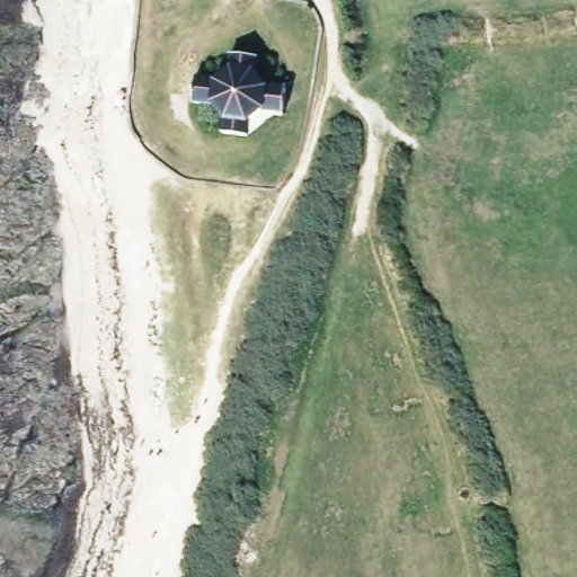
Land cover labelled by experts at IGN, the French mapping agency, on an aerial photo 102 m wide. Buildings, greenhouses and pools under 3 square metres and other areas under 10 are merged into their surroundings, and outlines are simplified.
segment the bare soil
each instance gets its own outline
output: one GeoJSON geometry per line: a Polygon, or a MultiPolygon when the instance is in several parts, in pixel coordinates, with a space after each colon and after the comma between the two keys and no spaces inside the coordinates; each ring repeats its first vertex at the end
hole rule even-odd
{"type": "Polygon", "coordinates": [[[135,34],[137,0],[23,0],[23,18],[16,25],[0,27],[0,577],[180,577],[180,559],[187,527],[198,523],[194,494],[203,471],[205,435],[198,430],[196,424],[187,421],[180,426],[174,424],[169,417],[169,399],[165,390],[167,363],[165,356],[160,356],[165,322],[171,320],[174,313],[174,300],[169,295],[174,293],[174,277],[162,237],[162,232],[167,230],[167,214],[156,205],[151,187],[153,183],[165,178],[169,169],[156,162],[149,153],[144,153],[135,135],[131,133],[126,110],[126,99],[131,95],[131,47],[135,34]]]}

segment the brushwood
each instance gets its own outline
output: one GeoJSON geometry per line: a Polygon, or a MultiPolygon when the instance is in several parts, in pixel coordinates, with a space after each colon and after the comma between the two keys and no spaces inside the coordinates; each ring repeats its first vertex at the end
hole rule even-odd
{"type": "Polygon", "coordinates": [[[340,47],[343,59],[363,59],[374,34],[370,16],[361,16],[358,0],[336,0],[336,7],[340,11],[338,16],[352,29],[358,32],[358,41],[343,43],[340,47]]]}
{"type": "Polygon", "coordinates": [[[266,458],[266,449],[279,444],[298,444],[300,421],[304,415],[304,401],[300,401],[300,394],[304,390],[304,383],[313,376],[313,367],[325,340],[331,275],[338,264],[340,248],[345,246],[352,232],[352,223],[356,216],[361,167],[365,162],[367,151],[365,122],[358,113],[349,108],[331,113],[322,122],[322,133],[309,174],[298,189],[295,203],[286,221],[277,225],[275,239],[266,252],[266,264],[261,266],[257,284],[248,289],[248,295],[255,300],[255,304],[243,316],[246,338],[237,345],[234,356],[230,358],[230,376],[219,408],[219,419],[205,435],[203,471],[194,494],[198,523],[187,527],[180,559],[180,577],[237,577],[237,554],[243,532],[259,516],[261,494],[270,491],[275,476],[273,462],[266,458]]]}
{"type": "Polygon", "coordinates": [[[482,525],[500,539],[487,557],[491,577],[523,577],[518,559],[518,527],[509,509],[496,503],[485,503],[480,516],[482,525]]]}
{"type": "Polygon", "coordinates": [[[464,458],[471,471],[471,480],[480,494],[512,491],[514,487],[507,473],[503,451],[496,444],[491,419],[476,399],[462,345],[455,338],[455,327],[444,316],[440,300],[424,286],[419,268],[412,264],[412,250],[408,248],[408,228],[403,225],[408,194],[401,185],[401,178],[392,178],[390,174],[385,174],[381,194],[374,198],[374,201],[376,223],[388,237],[388,248],[392,250],[392,259],[401,273],[399,289],[410,293],[408,320],[410,329],[419,338],[417,349],[424,363],[426,379],[440,385],[449,397],[449,430],[458,435],[467,446],[464,458]]]}

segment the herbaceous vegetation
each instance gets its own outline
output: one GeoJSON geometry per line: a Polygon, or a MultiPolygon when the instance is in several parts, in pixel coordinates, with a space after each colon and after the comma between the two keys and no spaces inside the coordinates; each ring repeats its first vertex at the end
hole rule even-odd
{"type": "Polygon", "coordinates": [[[259,516],[243,532],[237,554],[237,577],[491,577],[487,557],[500,539],[482,525],[480,516],[485,503],[496,503],[509,509],[518,527],[518,559],[523,577],[577,577],[577,0],[358,0],[361,16],[370,16],[374,34],[363,59],[343,59],[343,68],[349,77],[352,88],[358,95],[376,101],[390,122],[394,122],[399,128],[419,140],[419,147],[415,149],[399,142],[390,133],[385,133],[379,140],[381,153],[374,198],[381,194],[385,174],[390,174],[392,178],[401,178],[401,185],[408,194],[403,225],[408,228],[408,248],[412,250],[412,264],[419,268],[424,286],[440,300],[444,316],[455,327],[455,338],[462,345],[476,399],[491,419],[496,444],[503,451],[507,473],[514,487],[512,491],[480,494],[471,480],[471,471],[464,458],[467,446],[458,435],[449,430],[449,397],[440,385],[426,379],[424,363],[417,349],[419,338],[410,329],[408,320],[410,293],[399,289],[401,273],[392,259],[392,250],[388,248],[388,237],[376,223],[374,201],[370,207],[365,232],[352,232],[345,246],[340,248],[338,264],[331,275],[325,340],[313,367],[313,376],[304,383],[304,390],[300,394],[300,401],[304,401],[304,415],[300,421],[298,444],[279,444],[266,449],[266,458],[273,462],[275,476],[270,491],[261,494],[259,516]]]}
{"type": "Polygon", "coordinates": [[[167,214],[167,230],[162,232],[162,237],[174,277],[174,293],[169,295],[174,300],[174,313],[171,320],[165,322],[160,356],[165,356],[167,363],[165,390],[169,399],[169,417],[174,424],[180,426],[187,421],[192,403],[201,392],[205,379],[205,354],[210,347],[210,334],[216,325],[219,302],[225,295],[228,279],[255,246],[266,223],[266,216],[270,214],[279,192],[291,180],[298,167],[311,119],[313,99],[327,81],[327,27],[320,7],[313,0],[273,0],[273,7],[282,14],[279,27],[300,45],[302,61],[298,61],[289,70],[279,54],[270,50],[257,32],[239,36],[234,41],[234,47],[257,54],[255,70],[261,81],[279,86],[275,95],[282,95],[284,99],[282,110],[282,115],[268,117],[257,131],[248,126],[246,131],[221,128],[219,137],[210,140],[201,135],[192,119],[180,124],[174,117],[169,97],[180,95],[183,86],[192,83],[201,61],[212,54],[221,45],[214,34],[216,18],[212,18],[210,14],[216,0],[137,0],[135,34],[131,47],[131,95],[126,99],[126,110],[131,133],[135,135],[144,153],[149,153],[156,162],[169,169],[165,178],[153,183],[151,187],[156,205],[167,214]]]}
{"type": "Polygon", "coordinates": [[[352,29],[338,16],[340,11],[336,7],[336,0],[331,0],[338,23],[340,47],[343,43],[358,41],[358,32],[352,29]]]}

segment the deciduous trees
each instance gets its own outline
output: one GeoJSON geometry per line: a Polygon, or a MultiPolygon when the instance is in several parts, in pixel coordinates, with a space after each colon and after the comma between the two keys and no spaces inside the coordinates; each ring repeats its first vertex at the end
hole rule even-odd
{"type": "Polygon", "coordinates": [[[219,113],[212,104],[192,104],[192,119],[201,135],[210,140],[219,137],[221,128],[219,113]]]}

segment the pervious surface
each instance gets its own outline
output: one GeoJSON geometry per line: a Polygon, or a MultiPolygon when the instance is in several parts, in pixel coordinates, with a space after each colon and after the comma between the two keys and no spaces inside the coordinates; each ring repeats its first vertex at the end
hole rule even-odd
{"type": "Polygon", "coordinates": [[[246,338],[243,316],[255,304],[255,300],[248,295],[248,289],[257,284],[261,266],[266,264],[266,252],[275,239],[277,225],[286,221],[295,203],[298,189],[309,174],[322,133],[322,122],[331,113],[349,108],[358,113],[365,122],[367,151],[365,162],[361,167],[356,216],[352,223],[352,232],[365,232],[370,207],[374,201],[374,198],[381,153],[379,140],[385,133],[390,133],[399,142],[415,149],[419,147],[419,140],[399,128],[394,122],[390,122],[376,101],[358,95],[352,88],[349,77],[343,68],[343,59],[340,47],[338,23],[331,0],[313,0],[320,7],[327,27],[327,81],[313,99],[311,119],[298,167],[291,180],[279,192],[270,214],[266,216],[266,223],[255,246],[228,279],[225,295],[219,302],[216,325],[210,334],[210,347],[205,354],[205,379],[201,392],[192,403],[187,421],[196,424],[198,430],[205,435],[219,419],[219,408],[230,376],[230,358],[234,356],[237,345],[246,338]]]}
{"type": "Polygon", "coordinates": [[[216,0],[210,14],[212,18],[216,18],[214,34],[221,45],[212,54],[230,54],[234,47],[234,41],[239,36],[257,32],[270,50],[279,54],[289,70],[298,61],[302,61],[300,45],[279,27],[282,14],[273,7],[273,0],[216,0]]]}
{"type": "Polygon", "coordinates": [[[174,117],[180,124],[192,119],[192,104],[192,83],[183,86],[180,95],[169,97],[174,117]]]}

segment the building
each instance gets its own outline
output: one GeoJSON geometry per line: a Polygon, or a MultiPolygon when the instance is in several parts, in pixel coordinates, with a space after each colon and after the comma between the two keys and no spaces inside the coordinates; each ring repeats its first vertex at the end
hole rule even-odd
{"type": "Polygon", "coordinates": [[[221,128],[246,131],[248,126],[250,113],[257,108],[282,110],[284,99],[282,95],[275,95],[279,86],[261,81],[255,70],[257,54],[234,47],[230,54],[212,54],[201,61],[192,83],[192,104],[212,104],[219,113],[221,128]]]}

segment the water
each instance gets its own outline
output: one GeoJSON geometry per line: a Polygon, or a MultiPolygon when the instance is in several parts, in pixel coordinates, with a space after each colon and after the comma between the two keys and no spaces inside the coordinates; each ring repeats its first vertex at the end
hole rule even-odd
{"type": "Polygon", "coordinates": [[[16,25],[23,18],[23,0],[0,0],[0,27],[16,25]]]}

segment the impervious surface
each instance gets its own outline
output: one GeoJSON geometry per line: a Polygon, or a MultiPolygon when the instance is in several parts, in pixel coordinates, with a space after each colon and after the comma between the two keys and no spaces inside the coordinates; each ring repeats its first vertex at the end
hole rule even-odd
{"type": "Polygon", "coordinates": [[[268,117],[282,115],[282,110],[257,108],[250,113],[248,126],[257,131],[268,117]]]}

